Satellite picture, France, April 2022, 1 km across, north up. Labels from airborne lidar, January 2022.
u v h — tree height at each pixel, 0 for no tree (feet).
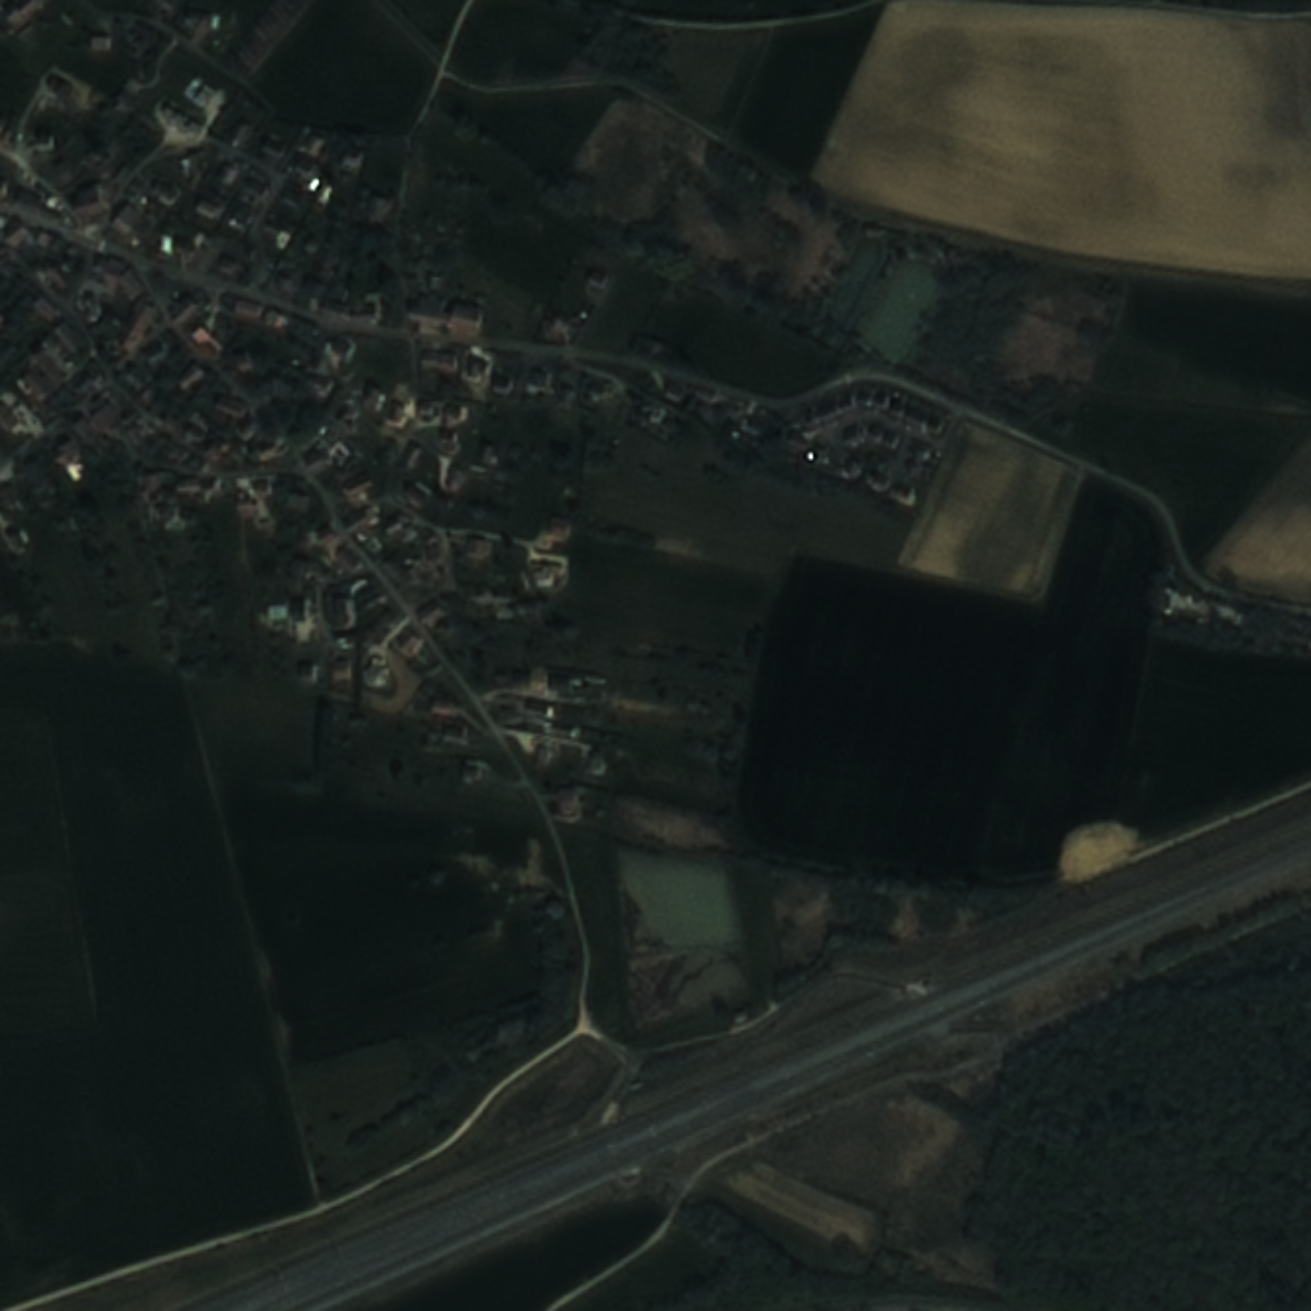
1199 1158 75
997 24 0
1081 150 0
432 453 0
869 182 0
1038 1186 62
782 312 83
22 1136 0
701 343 0
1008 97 0
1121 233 0
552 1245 0
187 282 0
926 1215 0
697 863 0
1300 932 20
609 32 51
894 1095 0
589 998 0
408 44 0
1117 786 0
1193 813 0
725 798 0
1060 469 0
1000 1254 36
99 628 0
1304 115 0
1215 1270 68
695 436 0
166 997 0
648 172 0
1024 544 0
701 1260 0
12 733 0
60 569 0
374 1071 0
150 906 0
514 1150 0
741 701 0
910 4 0
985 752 0
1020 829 0
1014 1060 38
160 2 0
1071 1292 66
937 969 0
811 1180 0
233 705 0
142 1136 0
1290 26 0
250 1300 0
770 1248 52
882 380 0
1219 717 0
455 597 23
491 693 0
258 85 0
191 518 21
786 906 0
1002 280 84
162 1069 0
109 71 0
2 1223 0
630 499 0
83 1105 0
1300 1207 74
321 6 0
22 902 0
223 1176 0
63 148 0
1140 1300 77
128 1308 0
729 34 0
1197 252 0
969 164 0
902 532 0
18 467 18
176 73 0
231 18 0
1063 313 0
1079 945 0
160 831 0
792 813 0
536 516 0
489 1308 0
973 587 0
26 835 0
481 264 0
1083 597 0
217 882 0
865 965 0
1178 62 0
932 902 23
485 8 0
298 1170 0
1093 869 0
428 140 0
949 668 0
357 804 0
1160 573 46
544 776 0
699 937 0
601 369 0
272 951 0
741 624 0
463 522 0
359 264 41
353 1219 0
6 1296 0
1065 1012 0
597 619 0
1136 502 0
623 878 0
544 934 25
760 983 0
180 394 33
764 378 0
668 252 67
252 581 0
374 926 0
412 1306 0
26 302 24
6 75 0
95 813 0
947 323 20
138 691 0
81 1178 0
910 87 0
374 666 20
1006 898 25
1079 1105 69
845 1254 58
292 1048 0
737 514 0
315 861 0
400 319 21
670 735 0
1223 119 0
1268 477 0
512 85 0
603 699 0
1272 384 0
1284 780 0
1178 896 0
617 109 0
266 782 0
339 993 0
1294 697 0
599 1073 0
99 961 0
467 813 0
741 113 0
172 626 36
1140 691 0
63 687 0
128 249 0
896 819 0
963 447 0
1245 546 0
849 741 0
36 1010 0
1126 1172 74
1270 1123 78
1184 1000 76
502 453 0
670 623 0
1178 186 0
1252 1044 61
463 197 0
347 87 0
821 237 0
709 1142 0
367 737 0
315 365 33
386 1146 0
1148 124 0
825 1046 0
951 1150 0
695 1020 0
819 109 0
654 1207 0
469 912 0
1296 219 0
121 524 0
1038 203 0
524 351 0
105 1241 0
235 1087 0
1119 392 0
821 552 0
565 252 0
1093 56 0
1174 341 0
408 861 0
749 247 0
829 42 0
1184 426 0
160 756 0
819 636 0
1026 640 0
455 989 0
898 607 0
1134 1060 63
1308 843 0
